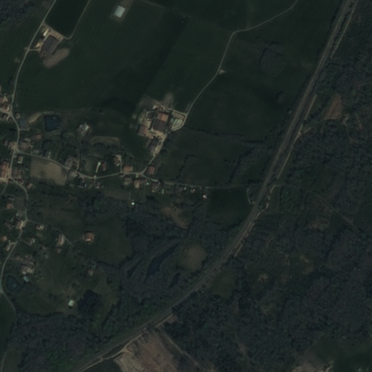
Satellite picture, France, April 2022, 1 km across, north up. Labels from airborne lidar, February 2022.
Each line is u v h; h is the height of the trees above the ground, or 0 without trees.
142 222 25
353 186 26
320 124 18
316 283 28
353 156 22
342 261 36
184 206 15
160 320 0
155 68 0
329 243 26
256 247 24
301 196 6
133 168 0
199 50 0
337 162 20
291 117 16
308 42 0
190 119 0
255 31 0
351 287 30
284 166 0
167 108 0
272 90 0
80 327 24
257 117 0
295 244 23
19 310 17
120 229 0
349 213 23
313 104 0
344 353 0
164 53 0
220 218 0
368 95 23
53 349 33
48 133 0
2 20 20
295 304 26
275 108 0
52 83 0
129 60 0
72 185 0
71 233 0
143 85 0
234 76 0
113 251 0
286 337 21
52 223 0
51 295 0
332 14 0
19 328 18
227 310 25
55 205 0
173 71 0
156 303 22
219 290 0
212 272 0
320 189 0
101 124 0
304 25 0
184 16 0
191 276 0
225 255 0
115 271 18
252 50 0
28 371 23
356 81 28
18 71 0
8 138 0
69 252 0
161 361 0
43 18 0
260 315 23
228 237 21
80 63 0
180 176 9
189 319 24
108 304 0
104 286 0
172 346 0
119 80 0
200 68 0
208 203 11
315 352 0
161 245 22
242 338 26
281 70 12
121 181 0
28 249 0
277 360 25
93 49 0
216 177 0
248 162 18
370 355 0
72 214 0
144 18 0
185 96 0
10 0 24
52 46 0
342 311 35
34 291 21
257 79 0
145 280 17
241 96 0
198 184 0
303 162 21
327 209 0
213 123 0
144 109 0
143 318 20
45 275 0
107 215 21
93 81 0
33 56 0
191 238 17
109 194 0
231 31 0
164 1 0
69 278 0
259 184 14
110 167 0
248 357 0
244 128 0
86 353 27
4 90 0
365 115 21
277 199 0
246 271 19
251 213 0
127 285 20
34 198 0
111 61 0
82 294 0
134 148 0
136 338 0
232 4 0
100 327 0
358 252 27
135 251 15
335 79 10
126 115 0
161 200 0
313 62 0
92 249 0
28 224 0
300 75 0
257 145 18
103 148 18
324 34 0
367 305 26
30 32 0
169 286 19
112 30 0
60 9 0
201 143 0
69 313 0
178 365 0
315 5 0
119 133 0
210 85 0
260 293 0
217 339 29
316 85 6
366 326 23
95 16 0
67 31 0
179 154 0
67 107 0
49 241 0
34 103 0
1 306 0
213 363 23
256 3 0
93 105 0
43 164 0
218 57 0
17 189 0
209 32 0
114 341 18
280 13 0
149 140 0
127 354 0
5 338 0
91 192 0
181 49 0
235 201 0
